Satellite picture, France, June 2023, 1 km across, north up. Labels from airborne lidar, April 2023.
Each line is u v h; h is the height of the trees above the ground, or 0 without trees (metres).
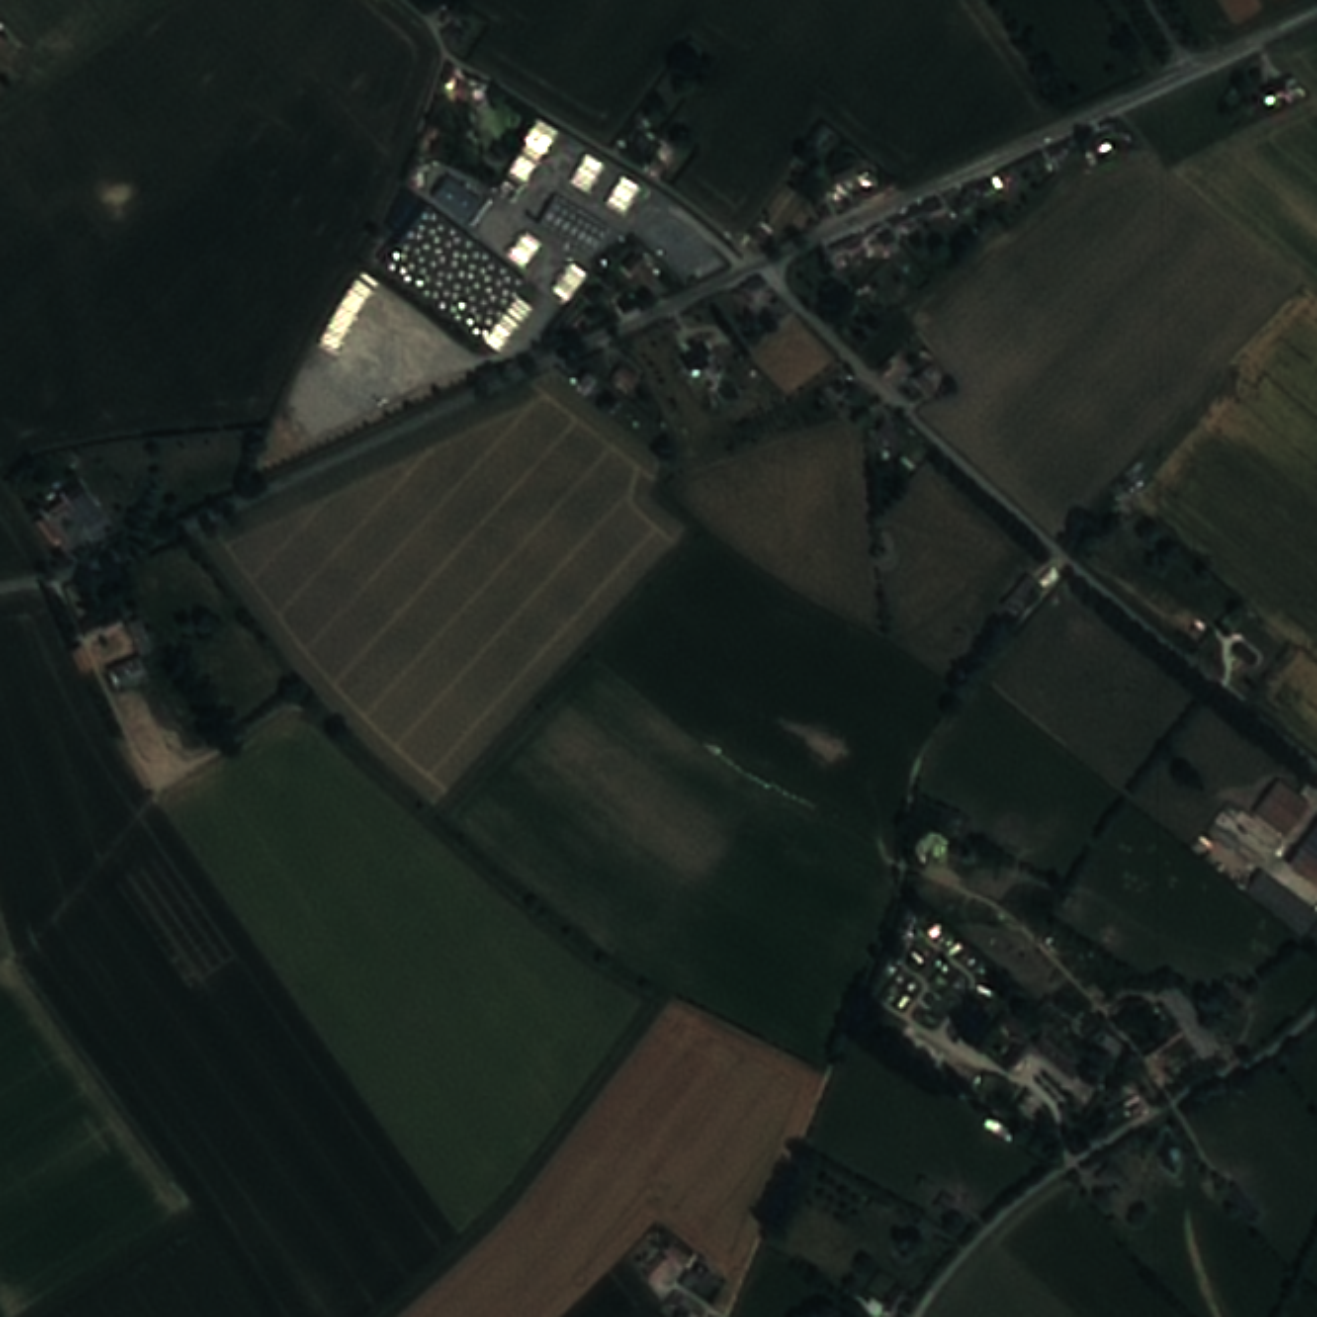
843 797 0
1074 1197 0
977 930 0
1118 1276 0
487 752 0
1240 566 0
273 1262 0
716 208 0
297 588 0
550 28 0
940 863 0
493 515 0
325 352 0
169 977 0
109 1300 0
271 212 0
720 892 0
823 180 10
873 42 0
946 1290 0
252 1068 0
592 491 0
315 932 0
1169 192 0
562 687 0
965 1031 31
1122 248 0
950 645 0
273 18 0
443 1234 0
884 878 0
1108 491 0
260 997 0
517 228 0
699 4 0
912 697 0
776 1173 0
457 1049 0
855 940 0
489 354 0
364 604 0
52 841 0
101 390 0
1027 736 0
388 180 0
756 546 0
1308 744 0
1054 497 0
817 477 0
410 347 0
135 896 0
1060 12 0
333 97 0
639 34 0
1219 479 0
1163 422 0
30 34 0
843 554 0
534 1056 0
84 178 0
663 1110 0
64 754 0
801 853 0
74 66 0
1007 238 0
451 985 0
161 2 0
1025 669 0
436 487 0
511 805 0
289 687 13
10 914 0
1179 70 0
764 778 0
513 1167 0
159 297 0
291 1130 0
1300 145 0
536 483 0
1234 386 0
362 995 0
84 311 0
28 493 0
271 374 0
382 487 0
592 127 0
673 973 0
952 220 0
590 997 0
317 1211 0
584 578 0
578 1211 0
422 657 0
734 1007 0
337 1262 0
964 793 0
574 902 0
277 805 0
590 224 0
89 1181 0
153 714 0
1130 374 0
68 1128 0
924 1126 0
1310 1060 0
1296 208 0
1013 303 0
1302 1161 0
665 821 0
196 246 0
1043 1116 10
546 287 0
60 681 0
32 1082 0
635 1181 0
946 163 0
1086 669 0
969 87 0
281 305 0
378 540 0
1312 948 11
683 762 0
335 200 0
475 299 0
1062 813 0
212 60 0
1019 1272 0
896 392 0
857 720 0
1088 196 0
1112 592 0
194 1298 0
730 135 0
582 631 0
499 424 0
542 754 0
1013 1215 0
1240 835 0
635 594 0
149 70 0
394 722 0
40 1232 0
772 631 0
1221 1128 0
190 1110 0
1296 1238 0
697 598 0
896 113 0
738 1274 0
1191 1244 0
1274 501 0
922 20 0
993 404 0
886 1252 0
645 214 0
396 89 0
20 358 0
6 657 0
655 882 0
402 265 0
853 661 0
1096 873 0
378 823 0
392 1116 0
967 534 0
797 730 0
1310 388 0
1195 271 0
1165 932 0
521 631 0
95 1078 0
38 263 0
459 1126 0
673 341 0
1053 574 0
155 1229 0
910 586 0
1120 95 0
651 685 0
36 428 0
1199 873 0
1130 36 17
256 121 0
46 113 0
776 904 0
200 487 0
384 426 0
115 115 0
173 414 0
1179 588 0
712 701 0
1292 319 0
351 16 0
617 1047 0
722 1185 0
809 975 0
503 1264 0
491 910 0
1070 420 0
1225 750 0
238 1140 0
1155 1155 0
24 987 0
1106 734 0
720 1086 0
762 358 0
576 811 0
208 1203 0
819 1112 0
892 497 10
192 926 0
